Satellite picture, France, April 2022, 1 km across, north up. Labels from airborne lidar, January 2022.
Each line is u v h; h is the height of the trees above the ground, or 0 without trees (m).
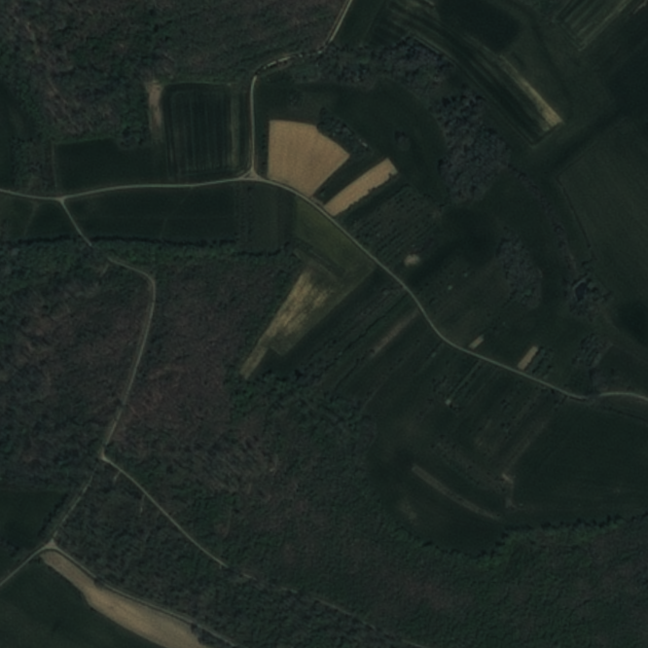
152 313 0
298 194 0
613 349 0
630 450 0
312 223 0
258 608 6
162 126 0
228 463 27
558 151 0
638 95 0
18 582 0
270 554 10
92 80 30
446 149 0
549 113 0
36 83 21
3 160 0
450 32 0
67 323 7
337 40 0
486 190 20
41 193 0
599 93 0
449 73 23
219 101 0
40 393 26
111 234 0
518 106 0
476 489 0
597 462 0
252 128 0
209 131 0
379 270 0
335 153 0
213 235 0
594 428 0
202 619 23
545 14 7
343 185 0
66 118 24
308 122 0
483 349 0
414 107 0
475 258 0
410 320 0
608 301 7
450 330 0
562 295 0
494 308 0
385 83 0
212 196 0
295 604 23
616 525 17
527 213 0
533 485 0
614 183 0
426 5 0
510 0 0
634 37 0
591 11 0
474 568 10
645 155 0
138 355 0
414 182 0
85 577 0
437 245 0
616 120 0
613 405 0
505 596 6
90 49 7
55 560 0
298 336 0
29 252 20
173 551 9
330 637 20
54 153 0
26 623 0
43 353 29
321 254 0
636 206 0
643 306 0
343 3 12
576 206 0
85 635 0
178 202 0
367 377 0
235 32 18
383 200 0
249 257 10
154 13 7
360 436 23
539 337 0
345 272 0
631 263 0
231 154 0
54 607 0
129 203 0
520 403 0
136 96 28
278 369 0
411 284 0
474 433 0
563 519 0
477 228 0
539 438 0
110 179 0
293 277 11
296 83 0
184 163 0
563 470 0
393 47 0
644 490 0
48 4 28
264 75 12
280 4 18
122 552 20
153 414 7
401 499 0
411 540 12
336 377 0
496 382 0
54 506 0
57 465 13
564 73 0
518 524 0
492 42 0
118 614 0
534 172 0
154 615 0
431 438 0
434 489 0
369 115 0
